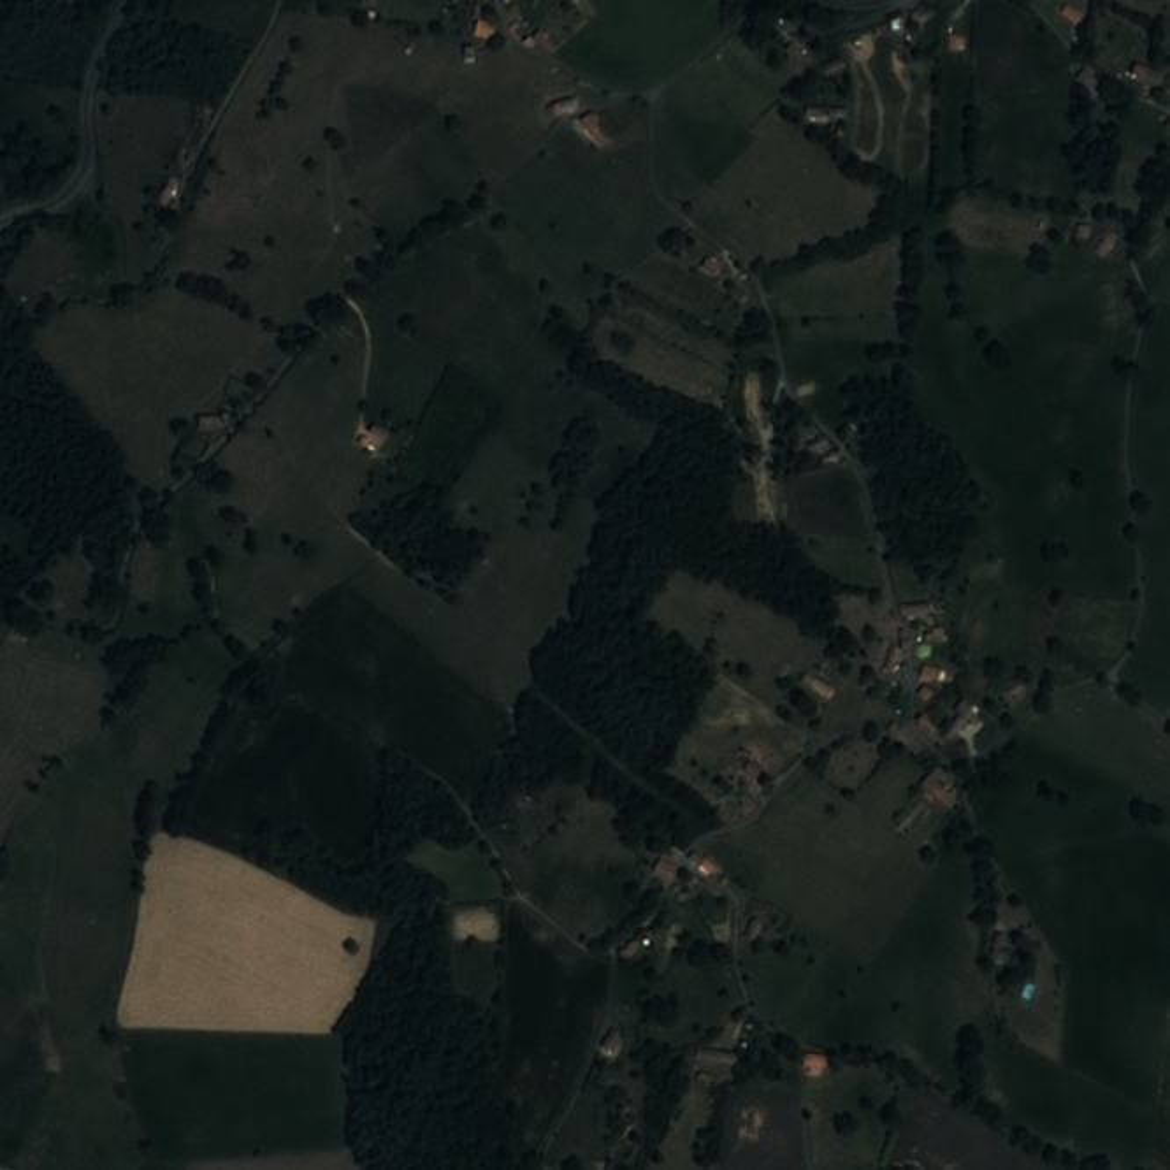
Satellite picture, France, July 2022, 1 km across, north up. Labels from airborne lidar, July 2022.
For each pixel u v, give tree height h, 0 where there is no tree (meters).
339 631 0
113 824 0
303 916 0
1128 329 0
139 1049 0
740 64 0
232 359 0
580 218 0
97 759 0
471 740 0
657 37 0
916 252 22
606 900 0
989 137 0
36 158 21
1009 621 0
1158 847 0
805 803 0
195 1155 0
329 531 0
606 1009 0
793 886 0
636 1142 18
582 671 16
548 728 12
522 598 0
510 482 0
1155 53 15
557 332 6
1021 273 0
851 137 0
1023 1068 0
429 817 15
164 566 0
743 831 0
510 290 0
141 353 0
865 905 0
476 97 0
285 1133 0
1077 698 0
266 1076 0
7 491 13
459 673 0
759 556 14
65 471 10
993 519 0
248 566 0
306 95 0
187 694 0
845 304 0
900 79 0
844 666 7
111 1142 0
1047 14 0
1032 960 23
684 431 17
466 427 0
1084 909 0
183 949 0
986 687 0
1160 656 0
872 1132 0
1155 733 0
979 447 0
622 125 0
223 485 13
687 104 0
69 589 0
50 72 0
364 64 0
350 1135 12
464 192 0
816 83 14
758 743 0
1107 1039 0
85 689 0
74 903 0
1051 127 0
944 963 0
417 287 0
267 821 9
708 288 0
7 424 12
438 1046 15
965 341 0
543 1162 9
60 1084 0
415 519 21
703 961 17
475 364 0
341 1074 0
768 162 0
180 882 0
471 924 0
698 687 20
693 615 0
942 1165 0
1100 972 0
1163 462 0
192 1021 0
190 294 11
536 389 0
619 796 13
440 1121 16
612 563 12
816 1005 0
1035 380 0
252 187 0
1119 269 0
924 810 0
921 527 16
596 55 0
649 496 14
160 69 9
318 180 0
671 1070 13
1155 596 0
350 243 0
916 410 17
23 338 17
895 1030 0
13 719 0
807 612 12
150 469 0
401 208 0
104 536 18
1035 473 0
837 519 0
